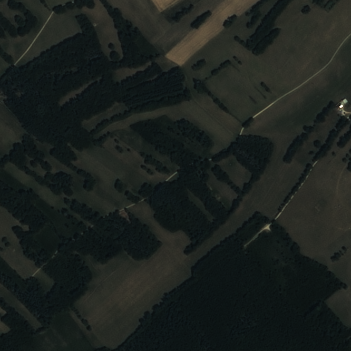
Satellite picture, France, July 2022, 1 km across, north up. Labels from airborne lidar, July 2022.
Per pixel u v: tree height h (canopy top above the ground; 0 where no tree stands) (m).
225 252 15
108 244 9
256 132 0
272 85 0
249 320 17
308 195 0
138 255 22
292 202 0
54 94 19
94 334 0
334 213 0
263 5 15
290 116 0
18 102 21
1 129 0
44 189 0
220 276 13
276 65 0
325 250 0
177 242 0
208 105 0
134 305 0
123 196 0
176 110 0
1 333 0
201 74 0
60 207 0
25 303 21
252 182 12
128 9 0
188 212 19
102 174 0
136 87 19
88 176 18
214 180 0
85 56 21
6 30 15
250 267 16
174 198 24
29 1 0
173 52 0
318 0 6
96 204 0
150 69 19
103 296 0
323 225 0
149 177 0
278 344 14
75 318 0
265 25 17
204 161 18
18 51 0
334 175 0
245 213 0
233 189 13
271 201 0
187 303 14
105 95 19
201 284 11
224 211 25
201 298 13
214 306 15
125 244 24
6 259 0
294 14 0
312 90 0
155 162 15
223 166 0
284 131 0
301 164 0
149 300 0
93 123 0
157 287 0
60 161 18
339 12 0
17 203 11
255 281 14
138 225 19
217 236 0
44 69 20
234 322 16
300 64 0
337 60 0
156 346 13
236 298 15
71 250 22
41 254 23
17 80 22
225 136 0
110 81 22
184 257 0
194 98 0
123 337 0
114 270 0
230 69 0
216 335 14
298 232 0
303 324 15
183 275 0
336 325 22
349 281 0
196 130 11
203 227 22
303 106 0
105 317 0
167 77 17
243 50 0
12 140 0
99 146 9
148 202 9
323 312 22
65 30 0
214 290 15
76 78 20
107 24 0
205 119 0
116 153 0
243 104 0
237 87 0
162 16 0
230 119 0
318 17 0
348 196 0
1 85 17
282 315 15
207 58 0
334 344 14
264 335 11
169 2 0
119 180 12
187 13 17
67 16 0
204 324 11
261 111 0
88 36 21
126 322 0
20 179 0
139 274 0
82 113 22
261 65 0
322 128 0
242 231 15
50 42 0
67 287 9
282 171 0
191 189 22
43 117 19
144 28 0
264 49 17
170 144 22
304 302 6
